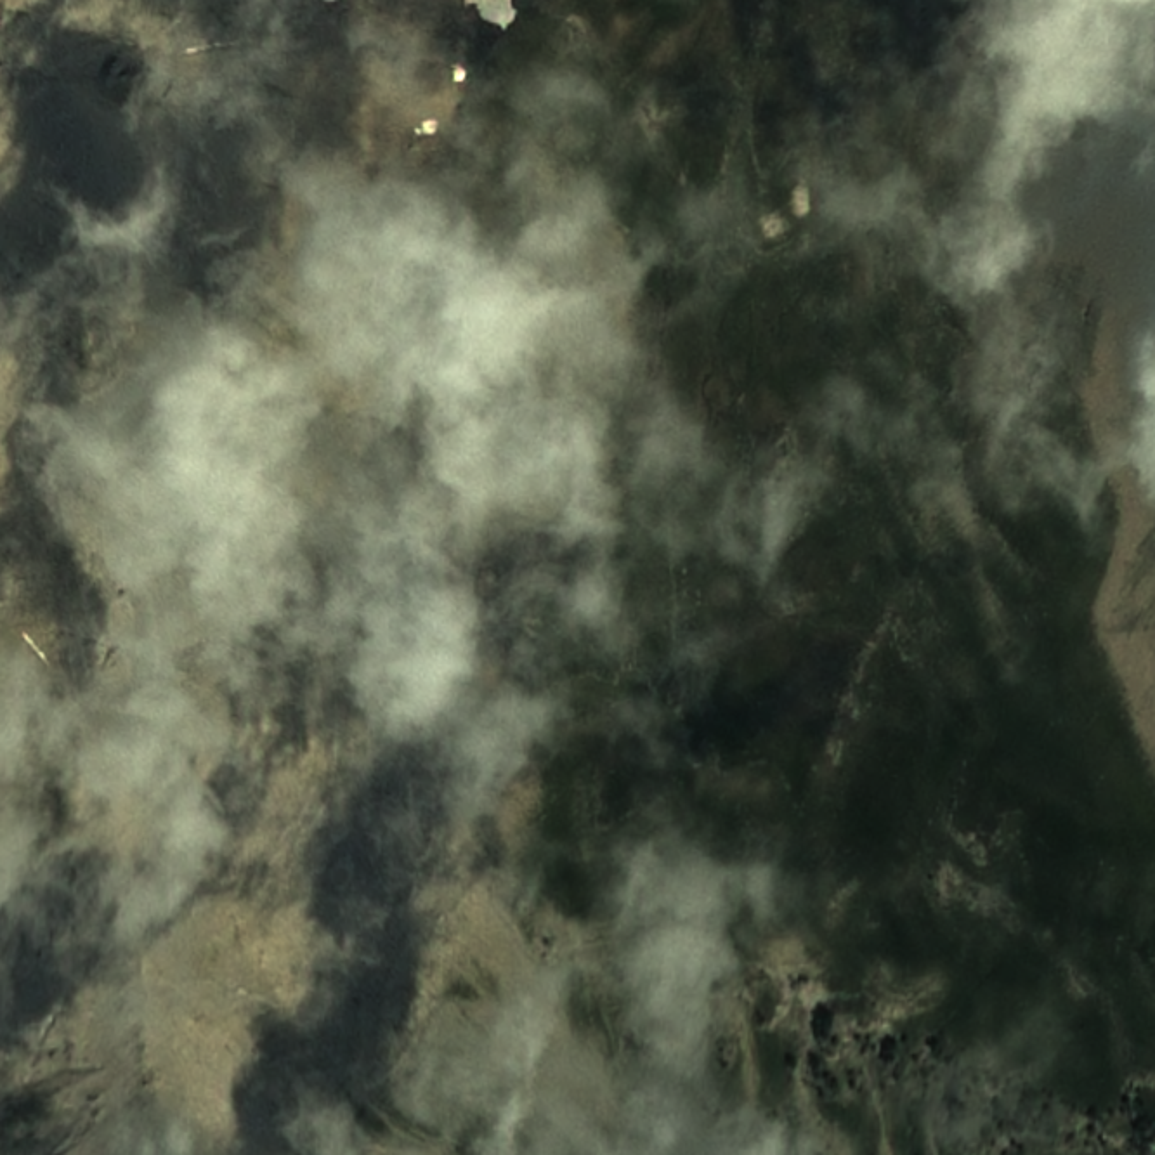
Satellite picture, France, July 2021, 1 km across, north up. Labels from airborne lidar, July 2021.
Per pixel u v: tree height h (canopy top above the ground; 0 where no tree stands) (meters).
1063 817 0
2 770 0
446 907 0
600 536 0
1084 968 0
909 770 0
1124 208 0
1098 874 0
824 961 0
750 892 0
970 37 0
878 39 0
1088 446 0
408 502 0
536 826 0
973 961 0
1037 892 0
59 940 0
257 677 0
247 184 0
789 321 0
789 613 0
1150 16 0
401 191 0
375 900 0
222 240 0
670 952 0
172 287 0
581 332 0
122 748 0
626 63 0
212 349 0
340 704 0
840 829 0
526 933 0
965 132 0
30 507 0
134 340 0
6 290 0
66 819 0
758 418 0
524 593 0
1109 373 0
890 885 0
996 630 0
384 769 0
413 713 0
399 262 0
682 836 0
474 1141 0
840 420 0
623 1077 0
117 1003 0
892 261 0
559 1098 0
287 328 0
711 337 0
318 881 0
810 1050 0
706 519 0
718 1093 0
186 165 0
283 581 0
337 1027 0
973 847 0
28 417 0
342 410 0
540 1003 0
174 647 0
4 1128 0
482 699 0
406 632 0
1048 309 0
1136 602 0
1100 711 0
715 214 0
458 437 0
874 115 0
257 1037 0
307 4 0
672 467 0
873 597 0
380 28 0
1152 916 0
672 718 0
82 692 0
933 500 0
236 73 0
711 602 0
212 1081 0
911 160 0
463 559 0
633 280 0
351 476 0
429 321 0
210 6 0
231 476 0
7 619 0
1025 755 0
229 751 0
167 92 0
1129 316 0
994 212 0
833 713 0
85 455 0
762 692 0
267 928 0
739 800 0
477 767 0
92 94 0
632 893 0
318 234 0
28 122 0
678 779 0
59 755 0
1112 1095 0
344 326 0
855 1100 0
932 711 0
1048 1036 0
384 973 0
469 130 0
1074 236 0
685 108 0
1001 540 0
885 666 0
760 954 0
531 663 0
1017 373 0
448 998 0
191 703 0
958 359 0
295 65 0
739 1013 0
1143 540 0
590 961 0
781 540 0
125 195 0
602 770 0
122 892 0
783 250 0
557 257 0
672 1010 0
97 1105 0
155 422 0
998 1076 7
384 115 0
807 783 0
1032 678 0
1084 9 0
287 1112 0
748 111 0
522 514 0
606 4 0
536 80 0
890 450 0
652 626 0
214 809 0
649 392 0
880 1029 0
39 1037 0
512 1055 0
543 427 0
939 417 0
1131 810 0
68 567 0
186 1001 0
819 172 0
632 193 0
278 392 0
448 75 0
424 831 0
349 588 0
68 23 0
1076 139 0
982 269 0
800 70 0
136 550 0
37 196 0
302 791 0
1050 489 0
